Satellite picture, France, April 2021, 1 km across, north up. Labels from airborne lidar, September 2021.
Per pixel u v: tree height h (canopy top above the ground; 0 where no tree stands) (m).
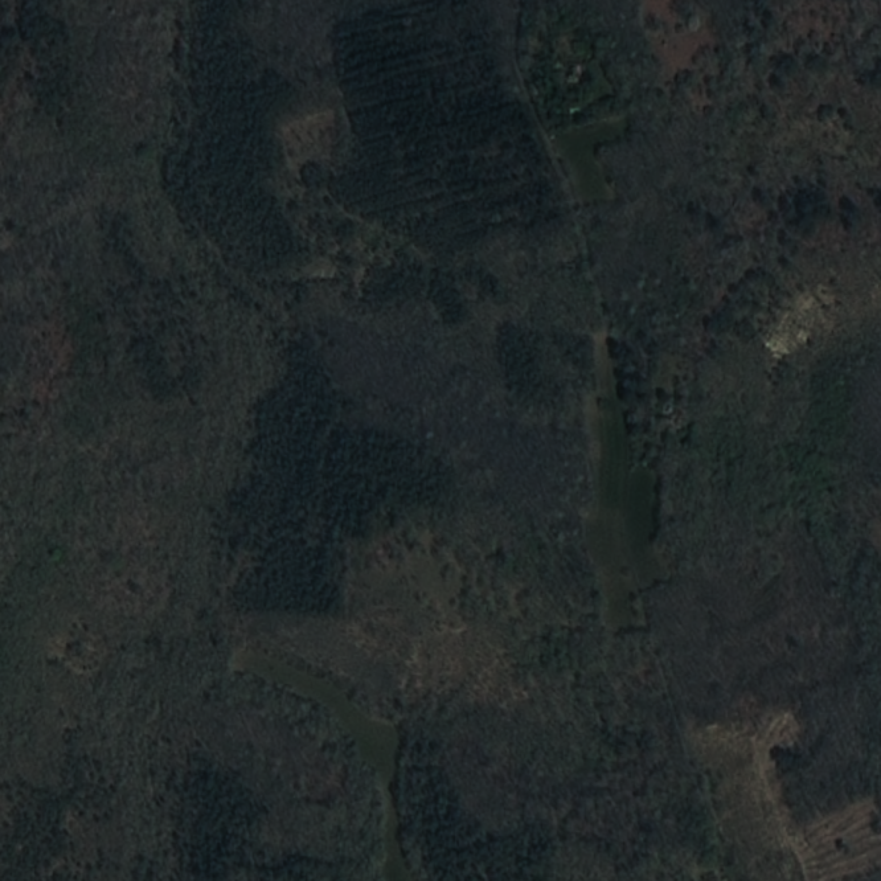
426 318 17
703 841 13
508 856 19
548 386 20
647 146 17
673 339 10
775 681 14
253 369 19
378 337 19
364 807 24
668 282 10
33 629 19
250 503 19
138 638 19
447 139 14
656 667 21
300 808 17
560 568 25
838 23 13
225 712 11
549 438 17
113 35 20
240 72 16
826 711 19
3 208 19
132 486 18
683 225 9
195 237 15
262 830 11
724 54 13
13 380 23
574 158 0
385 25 24
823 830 0
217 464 23
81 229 21
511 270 18
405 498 20
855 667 11
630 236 15
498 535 25
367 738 0
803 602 14
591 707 18
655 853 20
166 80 22
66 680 13
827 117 15
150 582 16
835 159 13
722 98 18
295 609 7
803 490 22
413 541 10
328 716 11
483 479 22
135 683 17
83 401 14
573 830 17
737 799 0
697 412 25
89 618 16
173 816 7
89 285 15
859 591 25
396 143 18
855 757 23
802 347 9
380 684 0
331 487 20
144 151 20
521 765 14
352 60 15
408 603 0
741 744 0
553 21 13
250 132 13
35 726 15
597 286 12
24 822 12
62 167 18
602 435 0
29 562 20
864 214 6
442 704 15
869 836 0
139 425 21
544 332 21
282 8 17
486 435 19
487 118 20
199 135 12
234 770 12
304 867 17
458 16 18
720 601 13
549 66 13
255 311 11
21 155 13
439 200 14
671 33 9
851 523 16
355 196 17
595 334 16
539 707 16
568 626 6
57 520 21
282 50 13
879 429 15
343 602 13
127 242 11
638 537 0
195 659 14
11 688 21
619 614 0
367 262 10
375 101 19
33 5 22
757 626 10
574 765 21
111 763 16
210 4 17
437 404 21
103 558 17
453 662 9
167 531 16
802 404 26
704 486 23
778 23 18
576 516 20
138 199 24
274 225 15
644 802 21
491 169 11
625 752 26
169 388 15
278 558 14
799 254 16
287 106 19
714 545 17
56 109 25
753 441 15
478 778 15
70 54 21
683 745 15
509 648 17
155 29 17
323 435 19
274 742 14
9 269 16
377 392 14
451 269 14
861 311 17
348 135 15
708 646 13
